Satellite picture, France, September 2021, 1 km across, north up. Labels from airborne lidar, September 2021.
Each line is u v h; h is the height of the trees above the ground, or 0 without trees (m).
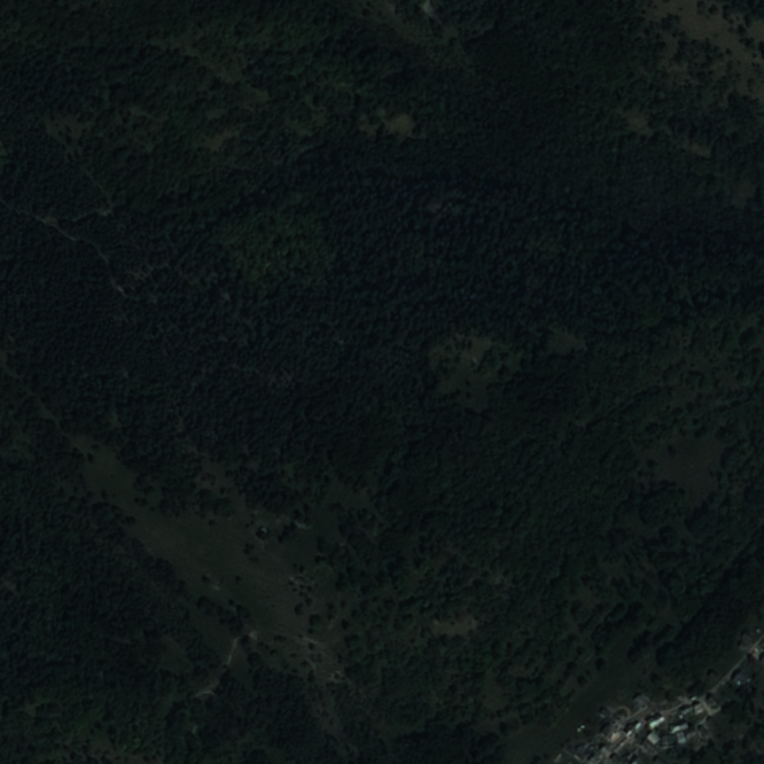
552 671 14
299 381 31
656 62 19
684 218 26
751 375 11
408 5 15
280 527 0
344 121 17
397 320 17
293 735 18
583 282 23
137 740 11
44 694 18
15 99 24
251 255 12
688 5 0
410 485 15
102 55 16
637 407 16
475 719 17
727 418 18
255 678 7
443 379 9
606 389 24
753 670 0
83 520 8
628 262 23
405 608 16
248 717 14
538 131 19
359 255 20
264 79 12
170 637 15
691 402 0
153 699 25
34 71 12
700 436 14
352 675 16
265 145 16
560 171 19
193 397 27
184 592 13
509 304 22
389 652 13
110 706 21
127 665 10
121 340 15
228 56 12
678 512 18
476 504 24
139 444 14
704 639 22
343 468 16
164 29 14
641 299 14
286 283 21
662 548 16
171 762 17
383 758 15
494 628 17
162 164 14
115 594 13
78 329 18
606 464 20
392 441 15
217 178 14
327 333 27
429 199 33
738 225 24
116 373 16
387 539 9
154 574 14
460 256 16
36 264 20
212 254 17
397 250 31
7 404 7
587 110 8
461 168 18
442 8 11
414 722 24
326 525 0
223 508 19
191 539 0
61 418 10
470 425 20
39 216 22
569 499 17
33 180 15
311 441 29
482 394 0
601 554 23
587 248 23
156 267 21
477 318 24
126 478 0
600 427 14
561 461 21
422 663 16
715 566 22
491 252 23
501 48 27
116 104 16
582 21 20
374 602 8
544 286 10
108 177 15
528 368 20
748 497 15
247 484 6
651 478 8
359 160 20
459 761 18
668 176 15
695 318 11
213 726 10
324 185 31
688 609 21
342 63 18
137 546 14
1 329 16
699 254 32
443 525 21
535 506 20
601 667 14
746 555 10
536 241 28
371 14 9
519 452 11
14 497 20
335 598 0
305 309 31
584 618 18
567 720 0
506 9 20
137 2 17
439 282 17
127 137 14
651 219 24
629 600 22
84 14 13
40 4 15
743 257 34
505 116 12
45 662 18
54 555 19
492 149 25
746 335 7
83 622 25
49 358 25
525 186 23
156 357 18
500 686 20
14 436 9
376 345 33
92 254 21
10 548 28
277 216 19
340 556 18
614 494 16
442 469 28
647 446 16
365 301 18
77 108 6
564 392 23
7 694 18
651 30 11
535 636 15
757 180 20
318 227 19
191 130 17
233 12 15
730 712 13
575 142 17
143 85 8
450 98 21
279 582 0
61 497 11
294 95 8
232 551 0
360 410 16
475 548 15
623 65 20
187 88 10
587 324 16
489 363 13
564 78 22
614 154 13
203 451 23
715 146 25
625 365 16
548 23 23
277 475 16
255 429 30
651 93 10
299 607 8
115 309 16
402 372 31
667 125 10
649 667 0
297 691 13
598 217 12
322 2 12
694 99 14
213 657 10
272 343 33
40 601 25
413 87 21
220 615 10
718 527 20
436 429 21
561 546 24
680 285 7
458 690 13
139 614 11
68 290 21
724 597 17
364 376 35
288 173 17
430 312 28
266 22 17
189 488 11
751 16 15
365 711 20
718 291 16
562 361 13
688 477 0
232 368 28
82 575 21
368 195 23
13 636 6
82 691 25
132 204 17
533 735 0
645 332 16
